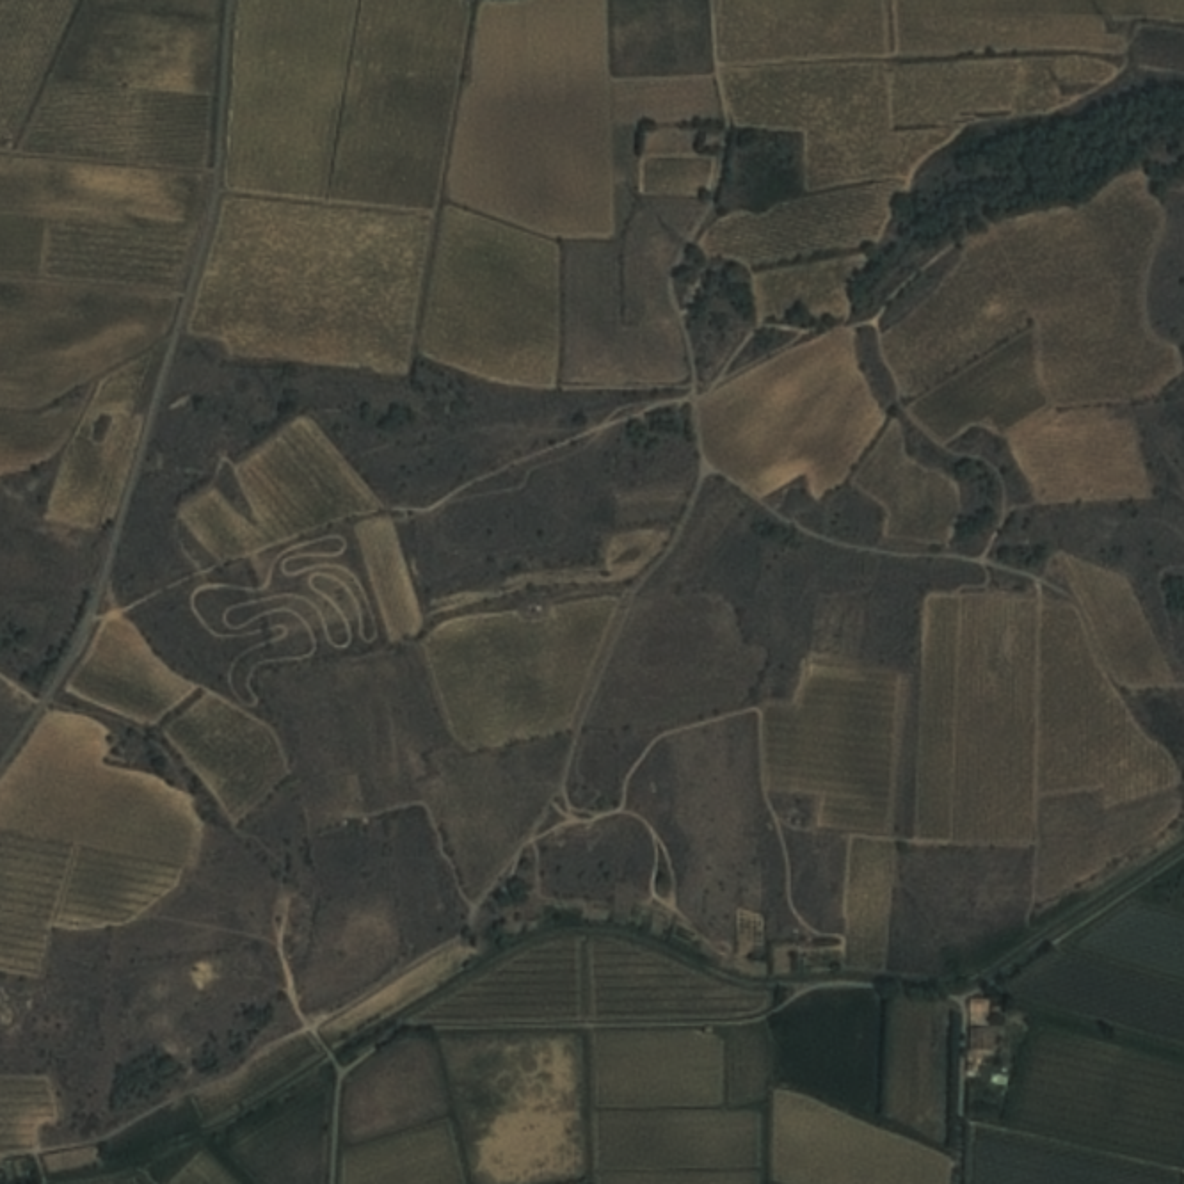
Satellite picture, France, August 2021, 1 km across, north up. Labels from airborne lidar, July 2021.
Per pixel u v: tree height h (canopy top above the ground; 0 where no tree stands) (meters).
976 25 0
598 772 0
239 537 0
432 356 0
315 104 0
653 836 0
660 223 0
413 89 0
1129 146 9
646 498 0
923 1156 0
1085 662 0
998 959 0
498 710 0
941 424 0
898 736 0
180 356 0
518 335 0
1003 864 0
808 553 0
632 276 0
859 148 0
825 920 0
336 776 0
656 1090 0
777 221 0
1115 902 0
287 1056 0
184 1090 0
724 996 0
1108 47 0
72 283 0
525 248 0
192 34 0
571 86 0
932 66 0
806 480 0
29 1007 0
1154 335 0
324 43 0
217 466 0
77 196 0
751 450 0
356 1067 0
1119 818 0
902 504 0
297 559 0
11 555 0
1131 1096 0
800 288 0
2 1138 0
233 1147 0
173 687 0
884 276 7
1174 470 0
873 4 0
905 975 0
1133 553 0
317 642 0
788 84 0
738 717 0
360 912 0
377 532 0
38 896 0
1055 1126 0
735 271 7
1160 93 17
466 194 0
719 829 0
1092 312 0
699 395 0
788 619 0
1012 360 0
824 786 0
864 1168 0
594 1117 0
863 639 0
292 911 0
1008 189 15
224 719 0
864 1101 0
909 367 0
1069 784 0
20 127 0
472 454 0
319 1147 0
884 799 0
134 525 0
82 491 0
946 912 0
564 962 0
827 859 0
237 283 0
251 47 0
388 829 6
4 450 0
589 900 7
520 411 0
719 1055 0
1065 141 14
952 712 0
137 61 0
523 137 0
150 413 0
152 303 0
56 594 0
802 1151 0
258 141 0
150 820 0
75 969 0
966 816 0
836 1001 0
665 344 0
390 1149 0
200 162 0
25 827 0
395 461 0
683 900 0
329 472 0
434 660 0
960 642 0
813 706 0
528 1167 0
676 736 0
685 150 0
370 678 0
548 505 0
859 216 0
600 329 0
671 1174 0
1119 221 0
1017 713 0
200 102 0
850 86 0
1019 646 0
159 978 0
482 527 0
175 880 0
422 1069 0
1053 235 0
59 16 0
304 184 0
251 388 0
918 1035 0
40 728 0
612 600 0
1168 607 7
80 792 0
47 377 0
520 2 0
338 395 0
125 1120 0
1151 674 0
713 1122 0
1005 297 0
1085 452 0
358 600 0
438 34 0
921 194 5
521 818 0
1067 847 0
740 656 0
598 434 0
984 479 7
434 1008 0
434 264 0
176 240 0
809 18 0
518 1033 0
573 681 0
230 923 0
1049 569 0
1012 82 0
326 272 0
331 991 0
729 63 0
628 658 0
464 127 0
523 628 0
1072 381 0
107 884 0
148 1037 0
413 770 0
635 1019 0
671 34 0
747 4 0
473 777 0
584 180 0
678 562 0
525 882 11
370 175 0
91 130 0
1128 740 0
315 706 0
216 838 0
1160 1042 0
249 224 0
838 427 0
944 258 0
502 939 6
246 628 0
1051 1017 0
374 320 0
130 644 0
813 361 0
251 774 0
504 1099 0
